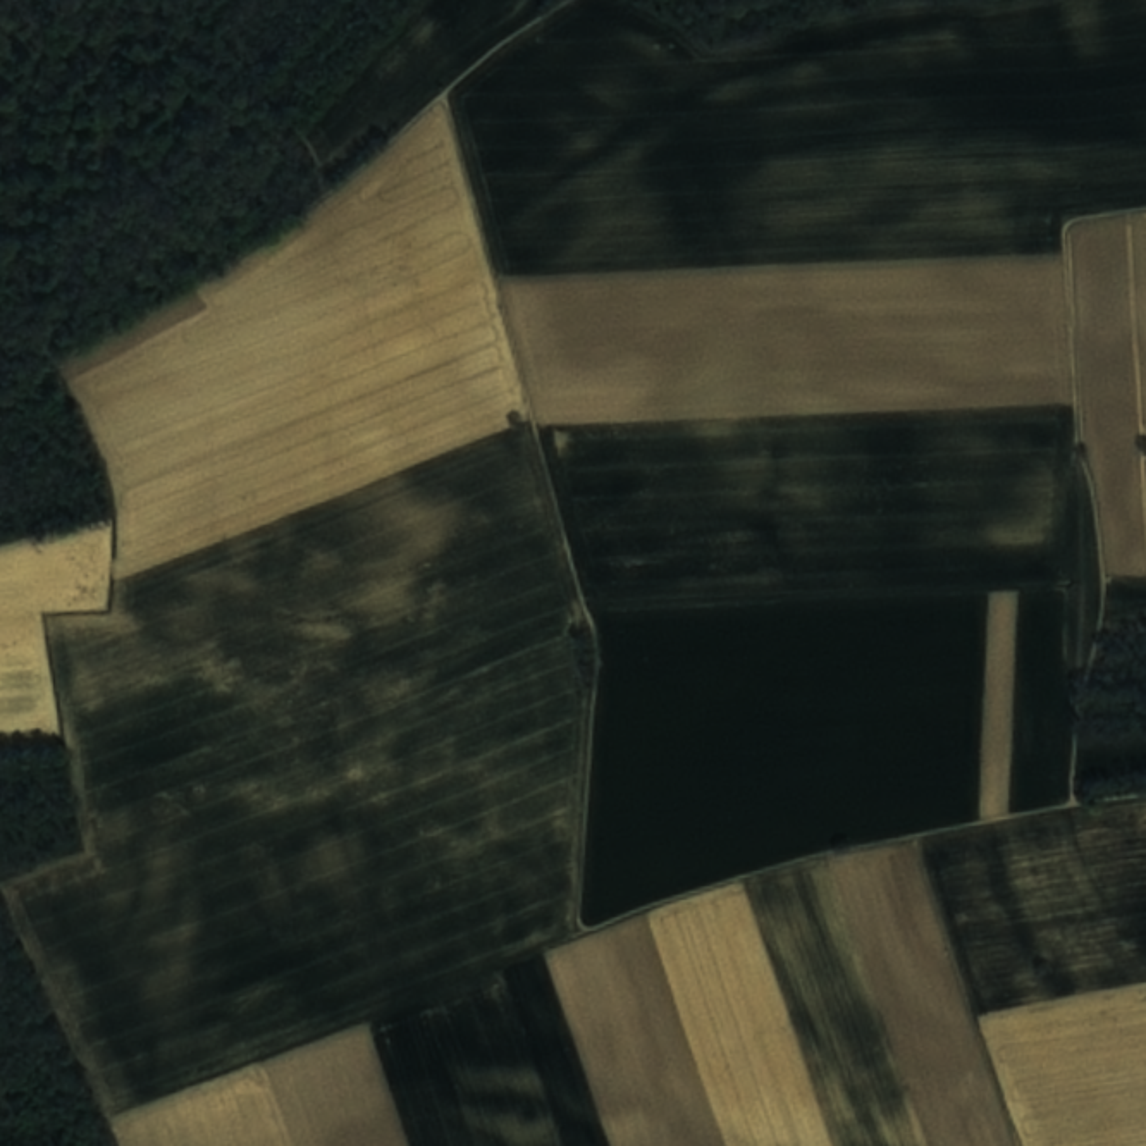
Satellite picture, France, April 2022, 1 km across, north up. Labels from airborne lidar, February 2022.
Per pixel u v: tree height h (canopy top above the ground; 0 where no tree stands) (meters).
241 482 0
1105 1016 0
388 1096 0
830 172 0
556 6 19
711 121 0
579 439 0
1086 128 0
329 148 0
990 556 0
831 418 0
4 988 31
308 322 0
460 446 0
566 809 0
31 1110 27
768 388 0
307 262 0
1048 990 0
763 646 0
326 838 0
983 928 0
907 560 0
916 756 0
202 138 31
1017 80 0
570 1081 0
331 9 23
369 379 0
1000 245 0
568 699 0
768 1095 0
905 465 0
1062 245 0
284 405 0
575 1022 0
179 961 0
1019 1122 0
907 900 0
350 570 0
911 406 0
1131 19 0
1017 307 0
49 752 24
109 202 32
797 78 0
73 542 0
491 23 0
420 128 0
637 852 0
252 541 0
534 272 0
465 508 0
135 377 0
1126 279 0
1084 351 0
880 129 0
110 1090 0
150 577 0
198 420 0
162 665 0
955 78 0
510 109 0
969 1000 0
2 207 20
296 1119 0
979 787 0
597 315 0
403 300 0
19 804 31
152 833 0
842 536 0
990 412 0
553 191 0
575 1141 0
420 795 0
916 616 0
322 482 0
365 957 0
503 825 0
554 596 0
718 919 0
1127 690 26
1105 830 0
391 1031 0
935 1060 0
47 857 15
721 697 0
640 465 0
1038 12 0
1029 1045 0
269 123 25
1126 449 0
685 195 0
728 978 0
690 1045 0
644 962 0
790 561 0
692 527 0
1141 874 0
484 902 0
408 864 0
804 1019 0
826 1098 0
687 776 0
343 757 0
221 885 0
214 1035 0
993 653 0
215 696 0
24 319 26
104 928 0
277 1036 0
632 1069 0
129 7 22
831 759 0
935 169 0
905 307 0
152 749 0
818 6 18
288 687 0
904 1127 0
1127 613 0
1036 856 0
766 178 0
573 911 0
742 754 0
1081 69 0
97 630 0
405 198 0
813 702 0
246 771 0
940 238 0
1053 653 0
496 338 0
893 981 0
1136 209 0
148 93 28
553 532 0
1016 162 0
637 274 0
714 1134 0
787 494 0
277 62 28
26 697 0
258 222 27
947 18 0
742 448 0
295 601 0
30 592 0
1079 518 0
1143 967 0
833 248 0
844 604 0
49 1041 30
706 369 0
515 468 0
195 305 0
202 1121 0
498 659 0
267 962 0
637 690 0
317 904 0
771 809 0
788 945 0
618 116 0
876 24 0
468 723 0
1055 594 0
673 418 0
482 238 0
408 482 0
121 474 0
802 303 0
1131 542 0
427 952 0
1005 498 0
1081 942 0
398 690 0
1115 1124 0
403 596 0
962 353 0
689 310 0
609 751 0
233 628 0
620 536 0
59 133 25
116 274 32
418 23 0
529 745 0
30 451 29
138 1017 0
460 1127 0
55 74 12
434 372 0
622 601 0
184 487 0
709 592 0
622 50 0
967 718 0
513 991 0
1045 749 0
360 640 0
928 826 0
